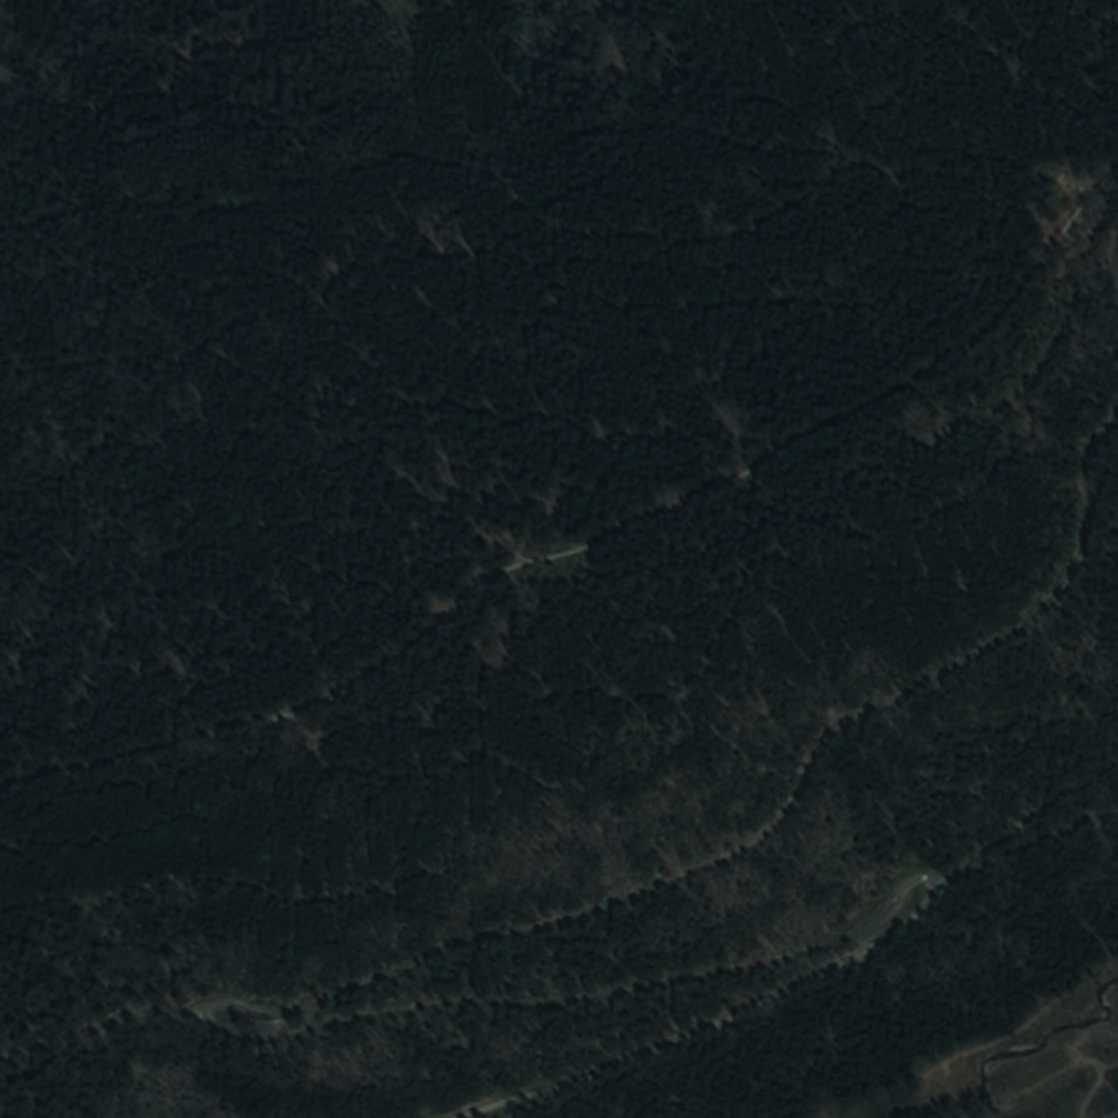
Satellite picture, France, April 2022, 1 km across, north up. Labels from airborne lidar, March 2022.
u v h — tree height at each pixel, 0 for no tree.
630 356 20
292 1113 19
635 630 19
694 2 24
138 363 10
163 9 26
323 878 21
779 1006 20
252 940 19
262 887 17
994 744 28
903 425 23
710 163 25
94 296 19
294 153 20
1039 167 19
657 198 22
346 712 22
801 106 22
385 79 26
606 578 9
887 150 16
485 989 37
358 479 21
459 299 18
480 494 12
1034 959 20
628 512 19
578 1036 29
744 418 18
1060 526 18
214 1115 16
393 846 22
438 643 22
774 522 16
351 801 22
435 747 23
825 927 17
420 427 19
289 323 20
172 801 17
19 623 22
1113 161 25
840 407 23
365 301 17
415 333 20
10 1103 35
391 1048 27
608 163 17
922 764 16
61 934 16
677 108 20
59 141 19
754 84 21
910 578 18
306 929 19
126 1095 19
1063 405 23
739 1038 33
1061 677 18
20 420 21
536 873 21
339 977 19
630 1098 20
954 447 19
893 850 38
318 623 17
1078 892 28
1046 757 25
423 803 20
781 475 24
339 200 16
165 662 15
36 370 18
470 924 19
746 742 20
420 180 18
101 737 20
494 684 23
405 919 23
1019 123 22
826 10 21
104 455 16
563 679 18
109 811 19
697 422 23
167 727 22
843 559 21
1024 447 24
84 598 19
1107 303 20
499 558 17
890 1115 0
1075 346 16
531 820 18
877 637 18
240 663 19
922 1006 31
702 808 18
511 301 18
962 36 22
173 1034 29
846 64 18
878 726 29
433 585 19
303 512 18
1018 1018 28
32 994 22
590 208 18
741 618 18
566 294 22
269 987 17
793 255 20
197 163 27
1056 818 27
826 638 20
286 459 15
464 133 15
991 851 15
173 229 21
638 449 20
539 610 11
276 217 17
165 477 20
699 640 23
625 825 16
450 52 12
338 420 21
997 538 20
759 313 19
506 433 21
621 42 29
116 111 19
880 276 22
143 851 12
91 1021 25
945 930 25
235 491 21
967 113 19
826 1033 28
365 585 15
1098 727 24
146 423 18
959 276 20
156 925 16
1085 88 22
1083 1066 0
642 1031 25
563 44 13
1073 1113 0
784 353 18
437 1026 27
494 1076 31
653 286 14
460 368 19
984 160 19
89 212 12
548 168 14
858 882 21
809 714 18
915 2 20
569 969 32
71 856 17
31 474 17
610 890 13
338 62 28
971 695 22
